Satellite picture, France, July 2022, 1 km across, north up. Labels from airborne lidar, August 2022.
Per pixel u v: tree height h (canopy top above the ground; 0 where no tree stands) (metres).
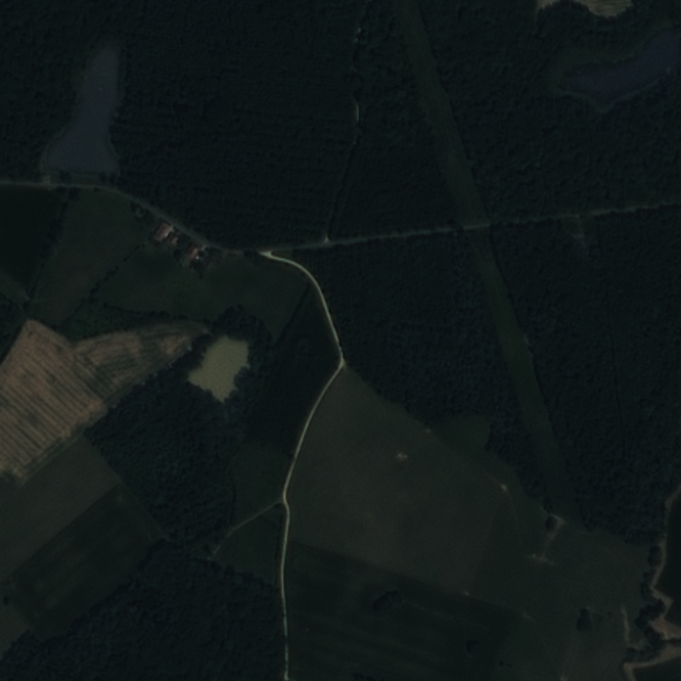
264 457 0
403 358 26
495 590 0
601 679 0
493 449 13
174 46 17
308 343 10
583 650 0
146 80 17
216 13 18
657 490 19
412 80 15
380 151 20
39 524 0
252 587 23
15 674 16
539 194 21
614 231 17
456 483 0
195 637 21
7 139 21
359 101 17
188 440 13
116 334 0
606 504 21
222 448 23
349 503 0
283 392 6
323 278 13
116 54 0
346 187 13
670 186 25
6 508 0
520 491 0
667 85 28
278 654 22
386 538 0
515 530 0
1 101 24
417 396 21
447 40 19
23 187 0
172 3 16
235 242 17
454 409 20
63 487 0
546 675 0
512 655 0
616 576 0
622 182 19
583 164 25
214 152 18
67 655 22
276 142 17
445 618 0
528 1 22
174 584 22
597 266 11
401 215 16
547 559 0
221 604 23
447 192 13
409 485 0
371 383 11
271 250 0
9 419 0
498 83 23
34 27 25
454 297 15
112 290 0
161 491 7
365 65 25
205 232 10
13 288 0
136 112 20
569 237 10
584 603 0
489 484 0
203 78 19
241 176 19
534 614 0
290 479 0
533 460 13
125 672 17
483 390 23
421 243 13
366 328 16
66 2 27
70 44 22
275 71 15
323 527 0
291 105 17
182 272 0
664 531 15
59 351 0
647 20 24
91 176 0
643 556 0
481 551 0
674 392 21
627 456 16
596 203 20
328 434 0
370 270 15
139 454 10
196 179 21
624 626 0
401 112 22
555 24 22
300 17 17
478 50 23
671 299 17
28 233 0
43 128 12
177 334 0
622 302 17
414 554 0
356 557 0
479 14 23
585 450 12
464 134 20
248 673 20
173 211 17
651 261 16
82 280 0
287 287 0
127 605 25
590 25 18
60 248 0
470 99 20
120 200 0
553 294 17
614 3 0
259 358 18
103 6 18
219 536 19
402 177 11
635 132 22
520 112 21
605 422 12
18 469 0
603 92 0
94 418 0
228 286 0
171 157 19
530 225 16
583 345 15
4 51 21
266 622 23
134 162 18
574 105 18
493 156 18
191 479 11
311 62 17
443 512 0
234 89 18
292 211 17
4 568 0
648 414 14
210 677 24
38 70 26
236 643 24
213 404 25
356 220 11
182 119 27
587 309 14
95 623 21
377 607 15
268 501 0
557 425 18
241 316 8
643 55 0
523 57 24
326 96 16
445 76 17
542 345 27
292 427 6
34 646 17
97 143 0
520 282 20
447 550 0
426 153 11
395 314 17
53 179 0
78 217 0
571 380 14
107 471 0
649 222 17
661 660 0
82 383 0
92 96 0
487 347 30
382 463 0
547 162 22
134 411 11
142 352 0
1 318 7
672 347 15
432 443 0
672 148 23
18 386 0
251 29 16
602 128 20
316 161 17
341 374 0
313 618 0
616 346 15
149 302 0
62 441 0
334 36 17
